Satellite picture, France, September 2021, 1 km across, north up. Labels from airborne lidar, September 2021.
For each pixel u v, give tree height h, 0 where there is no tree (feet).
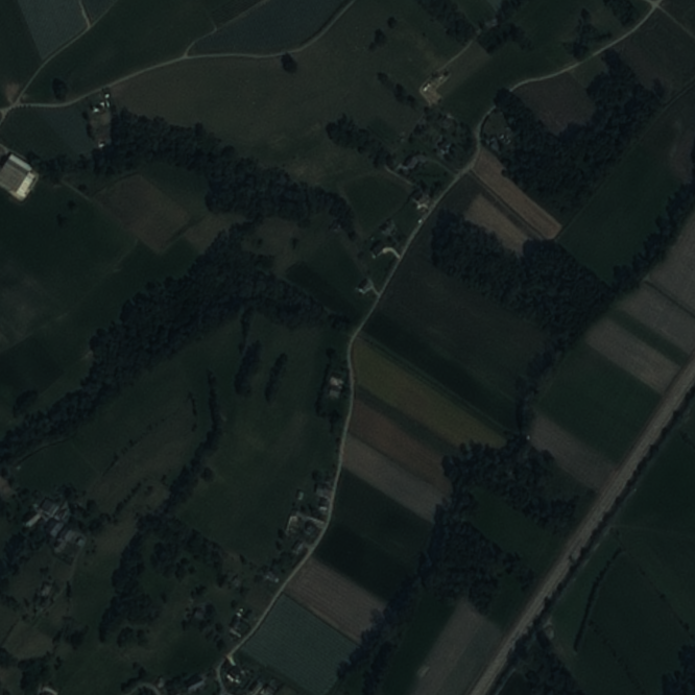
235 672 0
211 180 38
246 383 67
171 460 0
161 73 0
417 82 0
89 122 35
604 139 77
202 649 0
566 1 0
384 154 31
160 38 0
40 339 0
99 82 0
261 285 112
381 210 0
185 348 68
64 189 0
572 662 0
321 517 30
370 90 0
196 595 27
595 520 0
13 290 0
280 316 60
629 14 40
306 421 0
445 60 0
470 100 0
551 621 0
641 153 0
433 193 31
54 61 0
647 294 0
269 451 0
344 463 0
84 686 0
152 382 0
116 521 22
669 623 0
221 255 70
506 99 63
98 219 0
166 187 0
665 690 0
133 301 0
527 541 0
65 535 0
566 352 60
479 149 0
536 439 0
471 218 0
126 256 0
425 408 0
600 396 0
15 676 0
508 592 0
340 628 0
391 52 0
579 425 0
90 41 0
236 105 0
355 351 0
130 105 0
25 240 0
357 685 0
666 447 0
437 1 54
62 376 0
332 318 24
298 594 0
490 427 0
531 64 0
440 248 63
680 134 0
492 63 0
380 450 0
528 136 70
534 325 67
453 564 90
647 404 0
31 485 0
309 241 0
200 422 0
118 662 0
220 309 97
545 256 77
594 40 24
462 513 68
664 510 0
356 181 0
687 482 0
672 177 0
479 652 0
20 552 56
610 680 0
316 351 0
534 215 0
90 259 0
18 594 0
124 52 0
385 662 60
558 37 0
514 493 66
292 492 0
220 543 0
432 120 30
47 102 0
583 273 54
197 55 0
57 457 0
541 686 41
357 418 0
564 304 73
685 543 0
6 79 0
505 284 37
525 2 47
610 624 0
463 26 51
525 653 70
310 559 0
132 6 0
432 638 0
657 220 0
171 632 0
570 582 0
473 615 0
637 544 0
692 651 0
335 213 79
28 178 0
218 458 0
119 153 71
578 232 0
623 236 0
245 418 0
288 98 0
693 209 55
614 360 0
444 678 0
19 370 0
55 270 0
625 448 0
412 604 80
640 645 0
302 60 0
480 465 68
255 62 0
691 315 0
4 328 0
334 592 0
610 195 0
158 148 55
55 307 0
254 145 0
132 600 85
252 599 0
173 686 27
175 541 64
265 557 0
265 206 95
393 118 0
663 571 0
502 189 0
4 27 0
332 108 0
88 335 0
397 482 0
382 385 0
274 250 0
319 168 0
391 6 0
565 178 60
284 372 50
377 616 0
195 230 0
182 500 77
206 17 0
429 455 0
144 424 0
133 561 80
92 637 0
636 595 0
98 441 0
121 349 69
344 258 0
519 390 0
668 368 0
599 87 54
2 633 0
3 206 0
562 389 0
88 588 0
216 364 0
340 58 0
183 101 0
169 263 0
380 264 0
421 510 0
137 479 0
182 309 82
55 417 77
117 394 63
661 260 65
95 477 0
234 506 0
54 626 0
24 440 81
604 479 0
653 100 56
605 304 72
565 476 0
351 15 0
